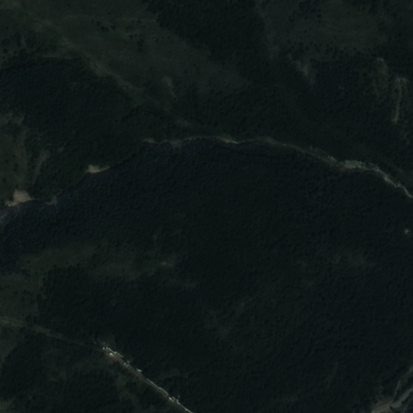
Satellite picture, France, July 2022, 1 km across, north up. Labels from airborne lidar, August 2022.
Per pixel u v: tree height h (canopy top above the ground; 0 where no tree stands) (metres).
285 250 15
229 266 14
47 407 30
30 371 30
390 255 20
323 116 10
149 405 8
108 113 26
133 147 24
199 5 22
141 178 33
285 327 18
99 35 0
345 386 22
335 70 7
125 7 0
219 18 8
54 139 16
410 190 14
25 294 11
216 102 7
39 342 12
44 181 18
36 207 16
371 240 23
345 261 13
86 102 11
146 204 19
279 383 21
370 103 17
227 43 16
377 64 8
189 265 17
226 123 8
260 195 10
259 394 21
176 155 18
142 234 17
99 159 24
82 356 12
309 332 16
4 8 0
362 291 11
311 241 13
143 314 17
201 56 0
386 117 10
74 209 24
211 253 20
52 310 20
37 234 24
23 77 20
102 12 0
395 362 31
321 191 19
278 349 27
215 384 19
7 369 14
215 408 26
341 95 21
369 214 24
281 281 9
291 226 17
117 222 21
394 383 9
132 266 8
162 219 12
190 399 21
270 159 19
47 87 19
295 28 0
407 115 9
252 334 13
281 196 18
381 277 22
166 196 23
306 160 28
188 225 16
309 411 29
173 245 14
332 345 29
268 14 0
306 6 15
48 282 8
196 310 19
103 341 7
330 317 19
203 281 11
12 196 10
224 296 19
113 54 0
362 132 13
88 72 7
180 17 18
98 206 25
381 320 20
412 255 25
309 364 7
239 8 22
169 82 0
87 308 21
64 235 22
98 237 15
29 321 14
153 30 0
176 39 0
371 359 25
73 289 22
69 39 0
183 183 28
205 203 15
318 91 7
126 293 19
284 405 10
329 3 0
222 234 10
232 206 20
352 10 0
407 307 21
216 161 19
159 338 18
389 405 0
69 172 24
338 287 18
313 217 8
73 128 13
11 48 0
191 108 10
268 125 9
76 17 0
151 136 16
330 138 11
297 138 19
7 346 0
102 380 23
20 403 7
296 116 8
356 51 9
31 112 19
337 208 23
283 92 7
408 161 12
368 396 7
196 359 23
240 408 19
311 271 8
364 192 9
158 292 13
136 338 20
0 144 0
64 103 25
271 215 12
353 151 13
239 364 14
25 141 7
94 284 13
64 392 23
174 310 10
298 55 5
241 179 24
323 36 0
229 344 9
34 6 0
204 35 15
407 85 9
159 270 10
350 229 23
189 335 26
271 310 18
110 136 20
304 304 14
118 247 16
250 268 19
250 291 16
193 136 10
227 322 7
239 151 6
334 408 26
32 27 0
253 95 18
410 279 17
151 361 18
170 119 11
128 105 18
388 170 11
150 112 16
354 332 21
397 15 17
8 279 0
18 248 16
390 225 27
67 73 13
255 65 16
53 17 0
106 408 20
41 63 6
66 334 13
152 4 8
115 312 24
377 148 14
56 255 0
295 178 21
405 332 27
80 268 8
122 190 26
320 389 23
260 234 10
